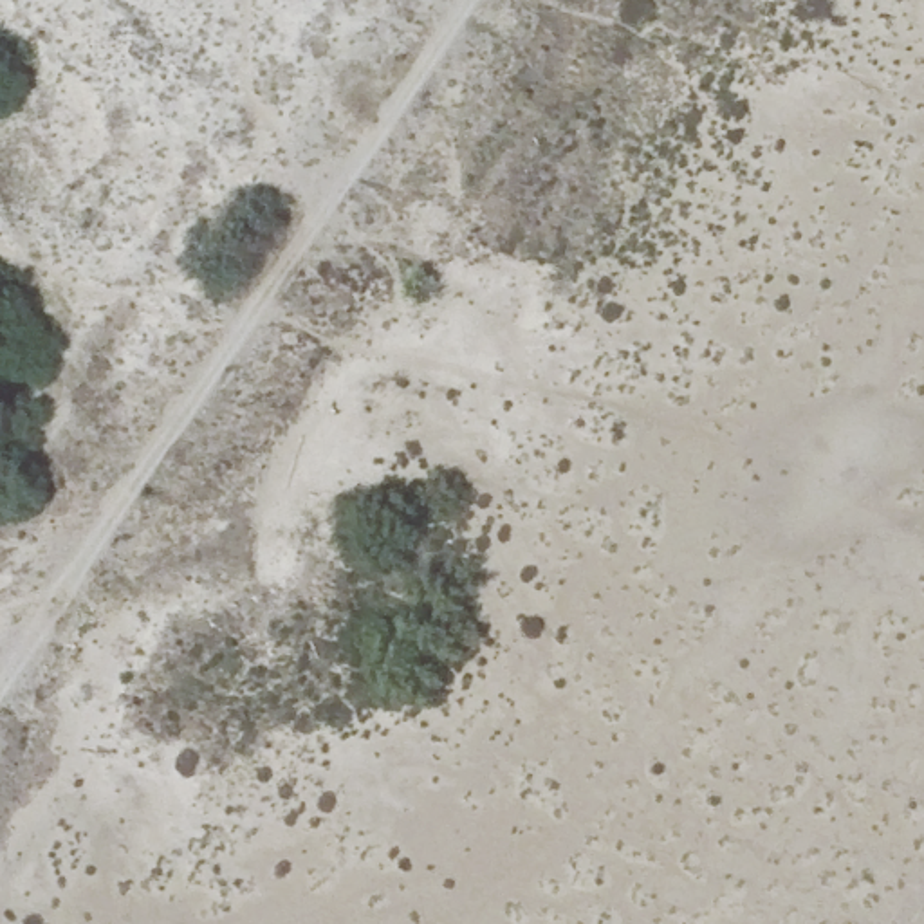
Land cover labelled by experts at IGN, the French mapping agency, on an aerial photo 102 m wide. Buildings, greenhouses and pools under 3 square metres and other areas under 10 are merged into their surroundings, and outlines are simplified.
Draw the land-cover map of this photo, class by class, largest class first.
<instances>
[{"label":"bare soil","instance_id":"1","mask_svg":"<svg viewBox=\"0 0 924 924\"><path fill-rule=\"evenodd\" d=\"M455 0H0V25L36 51V87L14 116L0 119V256L14 267L32 271L47 314L69 336L58 379L47 386H32V397L54 401L43 448L54 469V498L40 516L0 527V603L22 592H40L47 578H54L72 559L83 534L101 513V498L134 469L137 451L162 426L166 408L188 393L195 372L206 365V357H213L227 325L238 318L242 300L213 303L195 278L180 271L188 231L199 220L220 217L231 195L249 184H274L296 199L289 238L278 253L267 256V267L253 282V289L271 303L278 300L282 318L260 325L238 354V361H231L220 372L217 393L209 397L202 415L184 430V437L170 448L152 480L141 487L137 505L126 513L123 527L112 534L105 556L90 570V585L76 599H51V650L40 661H32V668L25 671V689L7 693L4 707H14L22 722L36 718L58 729L51 740L58 769L40 790L29 794L22 809H14L7 837L0 845V924H924V0H480L473 18L466 22L462 40L433 69L415 105L401 116V126L390 134L386 148L368 162V173L339 199L332 224H325L318 235L300 220L321 202L328 184L314 173V166L328 162L332 155H350L365 126L379 123V108L397 94L415 58L426 51L433 25L444 22ZM440 466L462 469L473 491L491 494V505L469 513L466 538H480L484 523L491 520L480 617L491 624L494 642L480 646L487 664L466 661L451 675L444 704L422 711H361L350 697V664L321 653V642H336L350 617L347 610L332 606L336 574H343V556L332 538V502L343 491L372 487L386 476L422 480L433 476Z\"/></svg>","mask_w":924,"mask_h":924},{"label":"brushwood","instance_id":"2","mask_svg":"<svg viewBox=\"0 0 924 924\"><path fill-rule=\"evenodd\" d=\"M36 87V51L0 25V119L14 116ZM296 199L274 184H249L231 195L220 217L199 220L188 231L180 271L195 278L213 303L242 300L253 289V282L267 267V256L278 253L289 238ZM69 336L47 314L32 271L14 267L0 256V527L40 516L54 498V469L43 448L54 401L32 397V386H47L58 379ZM491 505V494L473 491L462 469L440 466L433 476L422 480L386 476L372 487L343 491L332 502V538L343 556V574H336L332 606L347 610L350 617L336 642H321V653L350 664V697L361 711H422L444 704L451 675L466 661L487 664L480 646L494 642L491 624L480 617L491 520L484 523L480 538H466L469 513Z\"/></svg>","mask_w":924,"mask_h":924},{"label":"pervious surface","instance_id":"3","mask_svg":"<svg viewBox=\"0 0 924 924\"><path fill-rule=\"evenodd\" d=\"M480 0H455L444 22L433 25L426 51L415 58L397 94L379 108V123L365 126L350 155H332L328 162L314 166V173L328 184L321 202L300 220L318 235L325 224H332L339 199L368 173V162L386 148L390 134L401 126V116L415 105L433 69L462 40L466 22L473 18ZM282 318L278 300L271 303L253 289L242 300L238 318L227 325L213 357H206V365L195 372L188 393L166 408L162 426L137 451L134 469L101 498V513L83 534L72 559L54 578H47L40 592H22L0 603V707H4L7 693L25 689V671L32 668V661H40L51 650V599H76L90 585V570L105 556L112 534L123 527L126 513L137 505L141 487L152 480L170 448L184 437V430L202 415L209 397L217 393L220 372L231 361H238V354L260 325Z\"/></svg>","mask_w":924,"mask_h":924},{"label":"herbaceous vegetation","instance_id":"4","mask_svg":"<svg viewBox=\"0 0 924 924\"><path fill-rule=\"evenodd\" d=\"M58 729L36 718L22 722L14 707H0V845L7 837L14 809H22L29 794L40 790L58 769L51 740Z\"/></svg>","mask_w":924,"mask_h":924}]
</instances>
